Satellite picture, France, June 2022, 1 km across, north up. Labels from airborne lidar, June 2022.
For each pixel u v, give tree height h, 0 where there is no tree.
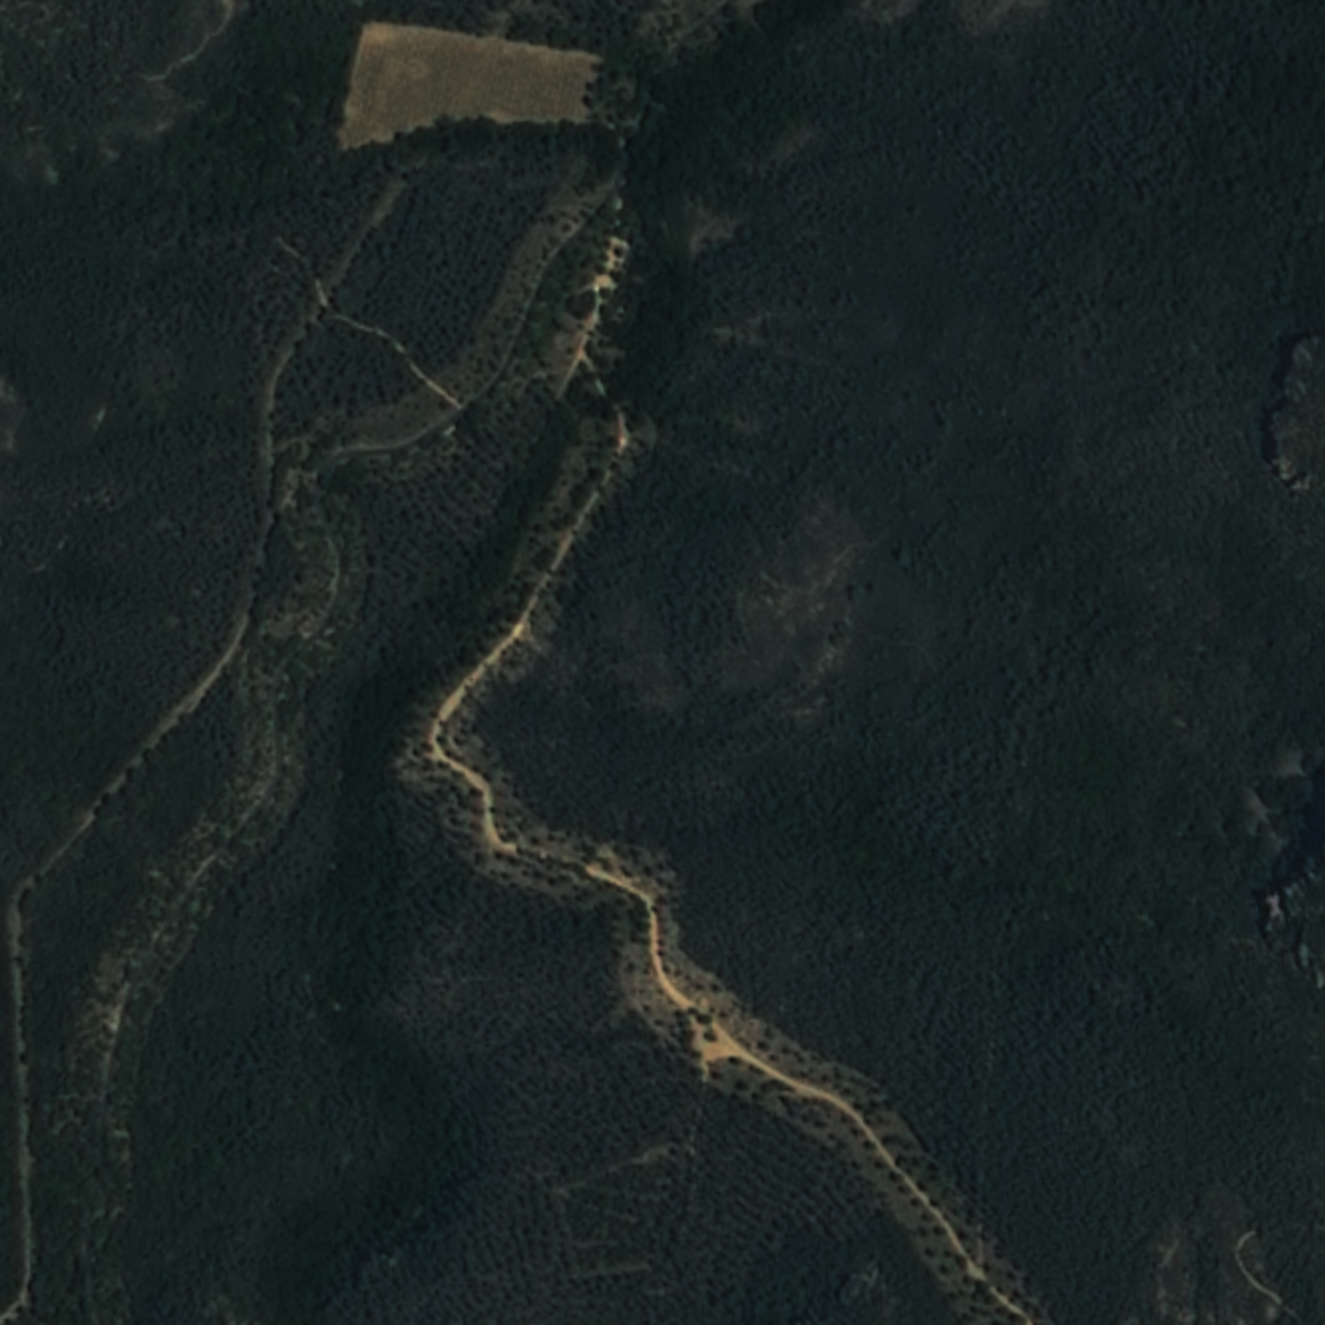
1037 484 8
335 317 13
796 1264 16
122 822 9
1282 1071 6
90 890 11
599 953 13
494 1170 16
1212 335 10
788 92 7
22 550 14
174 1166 14
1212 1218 9
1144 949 10
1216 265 11
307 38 9
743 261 15
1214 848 10
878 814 17
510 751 13
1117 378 11
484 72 0
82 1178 10
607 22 16
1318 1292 10
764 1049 13
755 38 11
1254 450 7
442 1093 10
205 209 8
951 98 11
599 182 8
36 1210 9
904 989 19
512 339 6
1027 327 7
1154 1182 10
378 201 16
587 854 9
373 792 10
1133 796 8
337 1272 7
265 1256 11
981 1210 13
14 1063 10
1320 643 8
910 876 20
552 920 16
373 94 0
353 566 9
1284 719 8
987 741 12
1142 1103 10
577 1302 12
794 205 12
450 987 12
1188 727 7
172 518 13
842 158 14
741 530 17
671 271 10
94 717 14
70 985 5
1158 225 14
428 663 7
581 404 10
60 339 7
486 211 13
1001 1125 14
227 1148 12
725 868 15
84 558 12
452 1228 15
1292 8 11
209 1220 9
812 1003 10
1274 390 8
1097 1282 12
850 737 11
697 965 7
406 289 11
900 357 5
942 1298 18
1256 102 14
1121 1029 13
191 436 18
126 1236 6
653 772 12
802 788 10
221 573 14
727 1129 14
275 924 10
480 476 15
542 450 13
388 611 15
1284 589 10
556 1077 14
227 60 8
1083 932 8
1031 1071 11
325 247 17
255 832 11
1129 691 9
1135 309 10
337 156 19
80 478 11
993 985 15
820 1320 13
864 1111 17
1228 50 8
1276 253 9
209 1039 8
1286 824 9
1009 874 11
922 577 12
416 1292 11
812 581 0
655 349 9
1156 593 7
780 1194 15
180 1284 16
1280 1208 8
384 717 15
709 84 7
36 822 10
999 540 7
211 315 14
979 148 8
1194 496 9
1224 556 9
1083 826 8
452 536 16
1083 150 8
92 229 10
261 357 16
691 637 15
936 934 17
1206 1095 12
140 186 12
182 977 9
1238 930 6
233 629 16
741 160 6
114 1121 10
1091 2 10
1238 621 10
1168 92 19
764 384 11
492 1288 11
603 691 7
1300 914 6
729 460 11
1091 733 12
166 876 9
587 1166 13
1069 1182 10
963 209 6
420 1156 15
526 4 0
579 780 14
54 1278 12
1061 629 12
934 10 12
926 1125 18
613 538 9
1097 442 6
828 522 0
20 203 6
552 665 12
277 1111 8
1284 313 8
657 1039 14
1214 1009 8
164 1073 10
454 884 15
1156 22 10
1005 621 12
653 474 16
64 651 15
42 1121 9
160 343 10
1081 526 12
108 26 13
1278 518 11
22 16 7
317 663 9
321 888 10
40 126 6
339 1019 17
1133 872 6
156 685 14
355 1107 16
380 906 13
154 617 16
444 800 16
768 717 13
